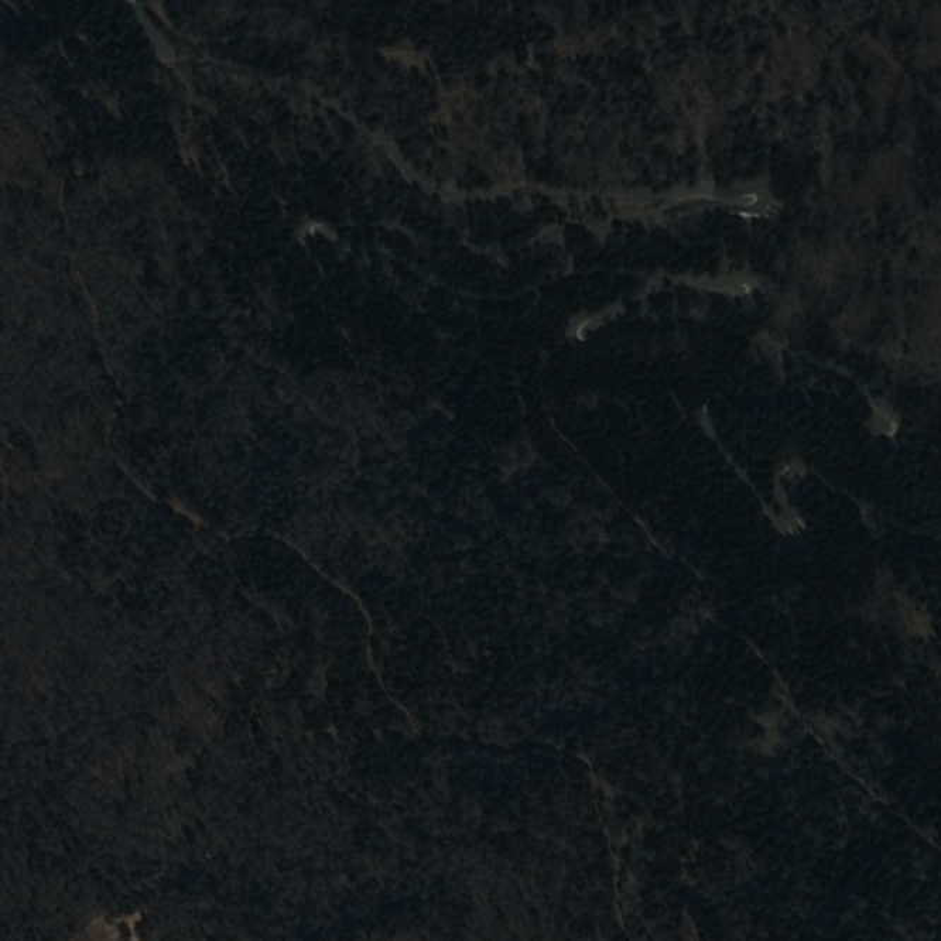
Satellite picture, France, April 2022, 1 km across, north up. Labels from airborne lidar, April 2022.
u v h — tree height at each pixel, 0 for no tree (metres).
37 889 12
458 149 16
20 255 18
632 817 14
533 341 26
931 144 18
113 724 19
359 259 30
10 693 15
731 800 17
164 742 16
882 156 20
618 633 23
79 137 15
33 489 19
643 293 27
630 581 30
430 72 9
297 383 28
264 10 25
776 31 26
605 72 22
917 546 33
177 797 20
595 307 28
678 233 19
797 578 18
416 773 32
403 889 23
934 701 19
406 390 12
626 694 13
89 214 26
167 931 15
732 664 21
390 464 26
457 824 26
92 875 10
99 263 22
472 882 23
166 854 16
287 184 29
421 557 16
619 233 22
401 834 32
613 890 16
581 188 17
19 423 18
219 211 24
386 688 9
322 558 20
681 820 22
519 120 23
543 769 22
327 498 22
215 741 20
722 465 21
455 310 28
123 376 12
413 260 26
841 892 14
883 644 22
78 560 18
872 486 28
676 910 35
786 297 22
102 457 19
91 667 21
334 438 23
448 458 13
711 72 28
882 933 21
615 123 27
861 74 10
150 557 11
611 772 22
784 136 27
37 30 17
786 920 28
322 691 24
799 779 28
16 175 19
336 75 24
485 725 27
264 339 25
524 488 14
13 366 23
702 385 28
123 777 12
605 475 22
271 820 23
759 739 26
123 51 18
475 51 18
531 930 22
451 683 27
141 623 14
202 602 11
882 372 22
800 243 22
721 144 19
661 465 24
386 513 27
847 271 19
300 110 25
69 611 27
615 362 25
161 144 25
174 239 27
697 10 27
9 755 15
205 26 20
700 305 25
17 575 21
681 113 27
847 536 25
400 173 15
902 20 15
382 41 24
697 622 30
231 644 17
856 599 27
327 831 22
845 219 21
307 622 15
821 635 21
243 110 24
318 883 27
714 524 27
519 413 21
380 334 18
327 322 21
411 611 24
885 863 25
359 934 25
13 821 7
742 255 22
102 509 18
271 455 24
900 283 19
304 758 24
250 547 13
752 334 23
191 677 23
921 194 22
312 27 27
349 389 26
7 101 20
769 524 20
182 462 29
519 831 24
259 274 16
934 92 19
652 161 15
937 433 20
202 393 28
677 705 23
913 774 29
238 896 18
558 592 30
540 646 29
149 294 20
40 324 24
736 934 21
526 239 20
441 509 25
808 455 27
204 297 30
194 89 24
